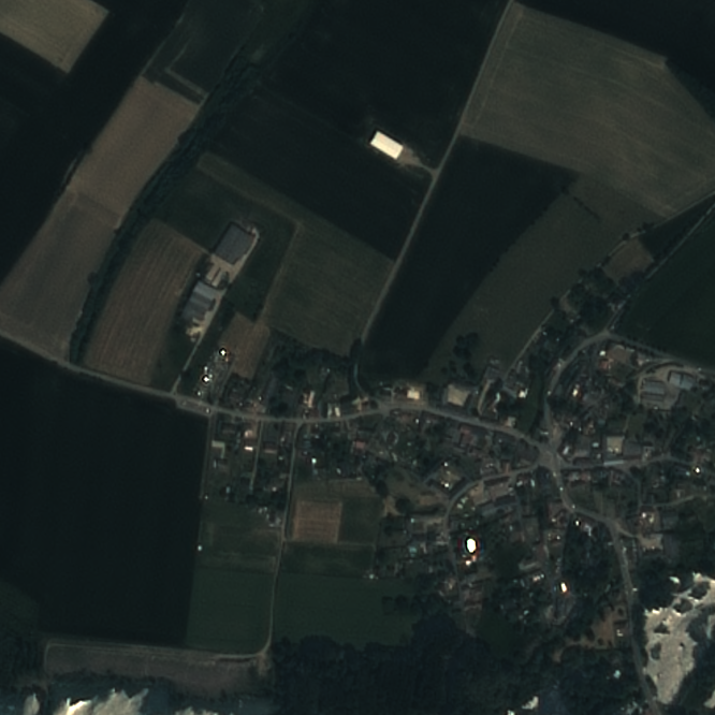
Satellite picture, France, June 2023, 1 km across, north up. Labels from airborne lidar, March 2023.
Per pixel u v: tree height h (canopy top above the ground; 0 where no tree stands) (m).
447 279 0
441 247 0
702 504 0
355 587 0
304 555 0
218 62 0
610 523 0
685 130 0
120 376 0
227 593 0
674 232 0
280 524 0
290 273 0
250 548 0
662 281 0
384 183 0
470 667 31
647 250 0
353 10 0
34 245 0
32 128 0
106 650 26
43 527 0
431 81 0
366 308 0
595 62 0
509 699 18
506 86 0
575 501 0
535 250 0
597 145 0
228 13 0
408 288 0
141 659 0
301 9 0
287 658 19
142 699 0
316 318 0
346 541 0
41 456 0
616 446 0
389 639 0
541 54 0
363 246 0
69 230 0
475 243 0
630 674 22
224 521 0
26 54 0
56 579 0
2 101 0
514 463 0
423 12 0
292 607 0
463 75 0
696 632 0
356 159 0
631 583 0
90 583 0
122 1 0
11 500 0
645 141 0
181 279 0
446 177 0
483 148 0
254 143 0
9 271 0
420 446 9
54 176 0
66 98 0
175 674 0
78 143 0
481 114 0
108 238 0
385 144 0
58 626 0
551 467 0
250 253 0
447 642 33
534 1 0
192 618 0
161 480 0
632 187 0
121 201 0
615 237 0
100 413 0
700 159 0
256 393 0
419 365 0
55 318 0
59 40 0
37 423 0
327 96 0
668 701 0
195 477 0
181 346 0
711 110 13
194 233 0
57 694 0
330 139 0
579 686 20
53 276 0
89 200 0
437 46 0
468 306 0
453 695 25
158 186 10
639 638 16
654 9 0
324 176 0
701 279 0
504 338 0
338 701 34
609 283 13
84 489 0
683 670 0
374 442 0
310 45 0
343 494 0
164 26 0
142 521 0
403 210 0
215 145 0
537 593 14
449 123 0
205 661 0
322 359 14
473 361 0
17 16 0
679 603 0
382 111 0
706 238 0
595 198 0
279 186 0
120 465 0
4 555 0
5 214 0
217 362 0
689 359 0
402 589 0
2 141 0
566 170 0
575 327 12
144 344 0
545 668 13
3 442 0
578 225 0
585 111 0
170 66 0
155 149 0
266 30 0
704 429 11
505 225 0
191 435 0
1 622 0
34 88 0
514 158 0
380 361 0
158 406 0
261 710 0
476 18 0
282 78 0
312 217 0
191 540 0
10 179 0
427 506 0
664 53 0
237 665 0
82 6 0
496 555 0
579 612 13
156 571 0
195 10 0
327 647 28
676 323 0
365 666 37
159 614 0
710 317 0
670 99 0
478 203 0
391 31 0
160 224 0
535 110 0
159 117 0
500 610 8
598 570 19
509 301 0
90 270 0
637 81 0
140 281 0
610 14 0
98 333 0
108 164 0
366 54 0
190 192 0
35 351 0
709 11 0
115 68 0
